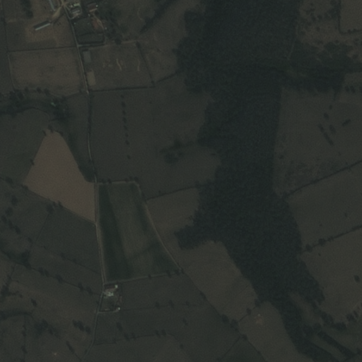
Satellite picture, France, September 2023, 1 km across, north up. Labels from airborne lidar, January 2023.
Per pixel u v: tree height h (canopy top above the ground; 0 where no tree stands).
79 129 0
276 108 16
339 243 0
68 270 0
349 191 0
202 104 0
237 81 9
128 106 0
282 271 21
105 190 0
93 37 0
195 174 0
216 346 0
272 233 22
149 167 0
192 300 0
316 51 0
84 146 0
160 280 0
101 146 0
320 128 15
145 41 0
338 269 0
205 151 0
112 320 0
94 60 0
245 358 0
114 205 0
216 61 13
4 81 0
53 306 0
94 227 0
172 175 0
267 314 0
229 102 21
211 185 21
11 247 0
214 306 0
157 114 0
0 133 0
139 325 0
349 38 0
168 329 0
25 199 0
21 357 0
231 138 22
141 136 0
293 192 8
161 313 0
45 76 0
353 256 0
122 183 0
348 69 7
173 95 0
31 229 0
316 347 8
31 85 0
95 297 0
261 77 12
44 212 0
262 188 13
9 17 0
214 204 23
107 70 0
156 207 0
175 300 0
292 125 0
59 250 0
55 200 0
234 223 21
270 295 22
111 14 9
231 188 22
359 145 0
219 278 0
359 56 0
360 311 0
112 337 0
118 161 0
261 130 19
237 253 14
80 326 18
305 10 0
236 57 17
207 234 15
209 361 0
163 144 0
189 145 0
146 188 0
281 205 13
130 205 0
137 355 0
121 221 0
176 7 0
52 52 0
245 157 22
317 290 16
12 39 0
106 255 0
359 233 0
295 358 0
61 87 0
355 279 11
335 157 0
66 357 0
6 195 0
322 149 0
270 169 11
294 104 0
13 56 0
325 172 0
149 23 16
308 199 0
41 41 0
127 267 0
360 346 0
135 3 0
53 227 0
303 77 0
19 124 0
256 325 0
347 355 16
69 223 0
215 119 26
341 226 0
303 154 0
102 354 0
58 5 0
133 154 0
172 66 0
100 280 0
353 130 0
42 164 0
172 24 0
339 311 0
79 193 0
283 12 9
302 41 0
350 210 0
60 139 0
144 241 0
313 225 0
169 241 0
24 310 0
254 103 19
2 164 0
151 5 0
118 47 0
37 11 0
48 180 0
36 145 0
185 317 0
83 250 0
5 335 0
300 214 0
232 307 0
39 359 0
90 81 0
